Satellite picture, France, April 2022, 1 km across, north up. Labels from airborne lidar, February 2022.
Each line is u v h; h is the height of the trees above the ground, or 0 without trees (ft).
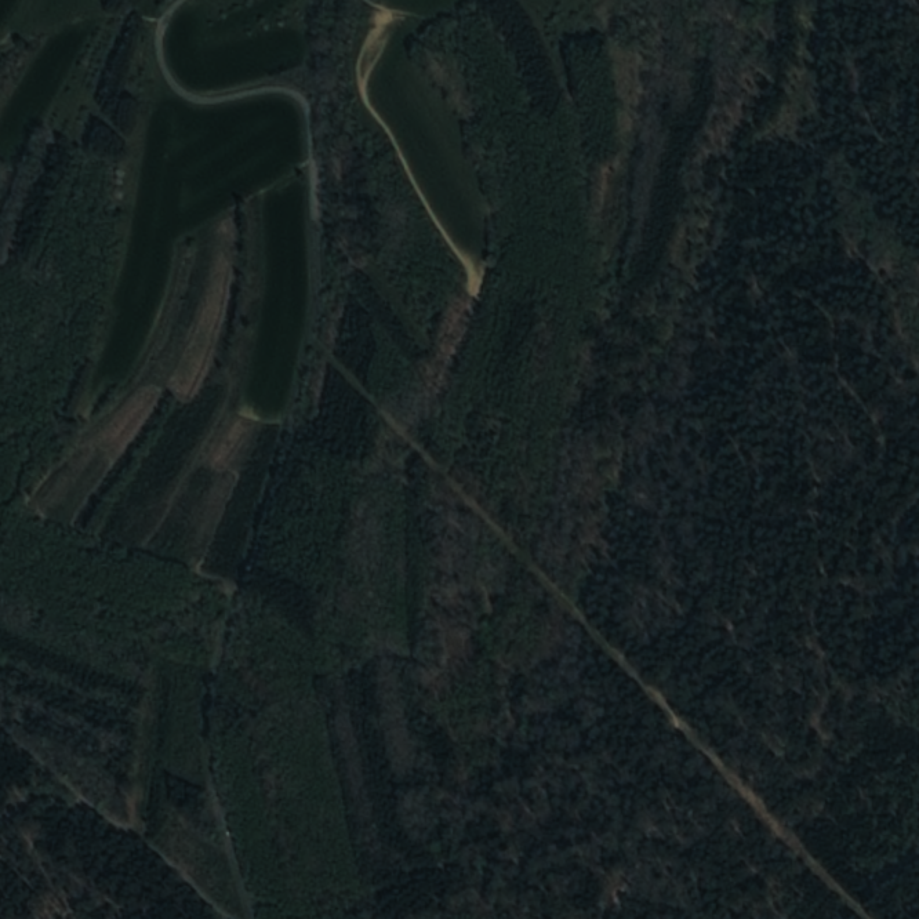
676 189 73
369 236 76
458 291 51
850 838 44
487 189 46
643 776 101
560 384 52
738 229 58
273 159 0
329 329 39
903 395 60
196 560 0
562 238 60
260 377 0
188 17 0
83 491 0
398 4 0
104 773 115
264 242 0
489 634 42
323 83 101
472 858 73
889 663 94
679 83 103
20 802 63
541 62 75
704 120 48
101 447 0
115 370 0
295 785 53
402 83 0
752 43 69
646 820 93
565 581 76
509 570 47
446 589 96
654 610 67
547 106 59
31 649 47
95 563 58
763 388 117
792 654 124
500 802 52
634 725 107
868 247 40
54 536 52
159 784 22
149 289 0
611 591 114
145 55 0
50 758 92
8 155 0
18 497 38
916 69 56
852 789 39
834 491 51
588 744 42
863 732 37
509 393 55
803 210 115
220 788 44
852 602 124
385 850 74
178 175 0
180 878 66
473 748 36
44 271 53
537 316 46
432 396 68
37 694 62
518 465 45
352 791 66
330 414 55
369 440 43
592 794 104
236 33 0
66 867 65
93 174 49
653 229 76
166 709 23
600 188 75
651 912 64
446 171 0
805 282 64
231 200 0
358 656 66
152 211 0
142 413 0
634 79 0
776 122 105
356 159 59
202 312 0
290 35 0
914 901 100
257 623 73
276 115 0
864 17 89
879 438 64
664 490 103
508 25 68
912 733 38
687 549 112
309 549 60
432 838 84
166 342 0
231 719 76
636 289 59
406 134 0
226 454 0
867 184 28
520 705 52
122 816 90
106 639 64
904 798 34
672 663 103
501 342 50
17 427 51
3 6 0
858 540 113
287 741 62
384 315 62
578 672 100
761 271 105
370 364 43
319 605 73
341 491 81
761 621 105
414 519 59
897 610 115
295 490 70
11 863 89
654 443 83
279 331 0
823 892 53
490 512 59
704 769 101
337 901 54
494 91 63
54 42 0
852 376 39
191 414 23
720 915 89
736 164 53
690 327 62
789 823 106
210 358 0
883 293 118
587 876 76
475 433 47
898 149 40
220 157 0
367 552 77
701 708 104
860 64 27
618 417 29
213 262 0
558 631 45
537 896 94
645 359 41
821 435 112
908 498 67
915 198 113
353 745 89
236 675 31
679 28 94
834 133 48
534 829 98
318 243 0
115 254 31
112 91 59
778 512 63
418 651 87
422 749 59
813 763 111
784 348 45
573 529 110
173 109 0
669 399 64
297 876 52
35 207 54
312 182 0
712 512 113
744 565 113
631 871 97
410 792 70
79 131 0
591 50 62
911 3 80
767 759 102
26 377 59
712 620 99
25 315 46
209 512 0
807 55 0
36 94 0
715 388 59
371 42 0
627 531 108
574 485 101
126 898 77
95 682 45
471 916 52
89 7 0
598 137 83
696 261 67
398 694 100
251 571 93
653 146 101
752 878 89
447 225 0
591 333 56
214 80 0
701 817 96
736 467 106
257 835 56
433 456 78
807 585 100
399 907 75
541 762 124
